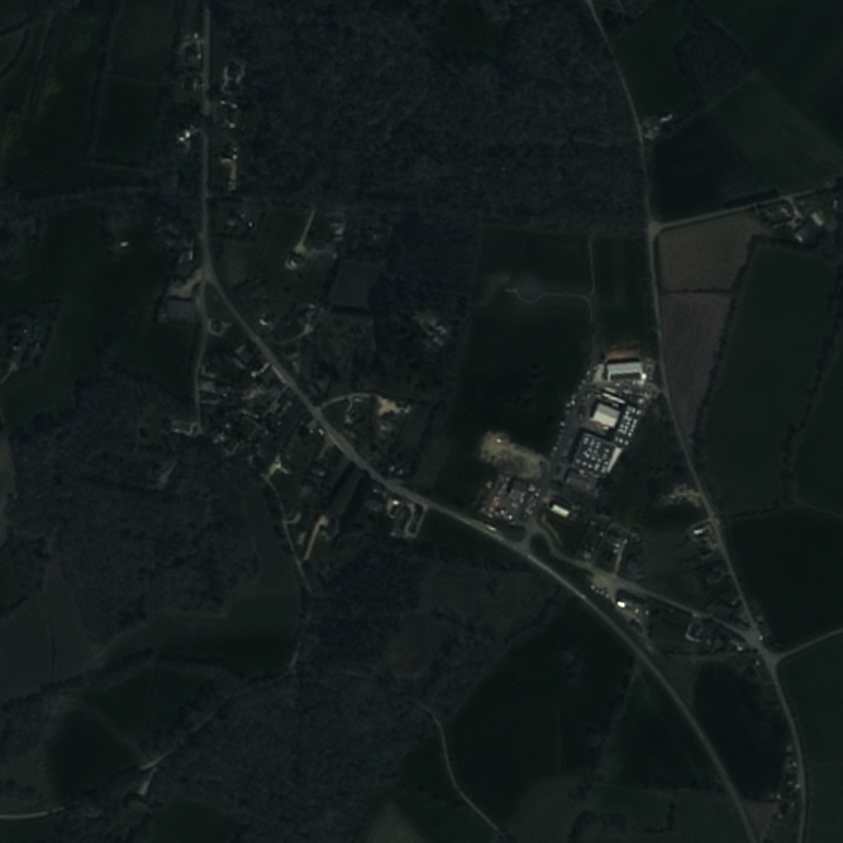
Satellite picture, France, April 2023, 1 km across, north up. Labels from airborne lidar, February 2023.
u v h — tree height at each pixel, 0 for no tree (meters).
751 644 0
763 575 0
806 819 6
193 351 6
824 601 0
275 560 0
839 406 0
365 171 19
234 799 9
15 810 0
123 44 0
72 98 0
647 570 0
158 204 26
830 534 0
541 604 0
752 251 12
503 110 22
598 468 0
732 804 0
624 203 15
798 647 0
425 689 19
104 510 12
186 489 10
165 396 15
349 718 11
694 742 0
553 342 0
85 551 14
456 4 0
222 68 0
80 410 12
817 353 0
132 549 11
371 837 0
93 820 10
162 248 0
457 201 20
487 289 0
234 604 0
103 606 16
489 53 0
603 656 0
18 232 0
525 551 0
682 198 0
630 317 0
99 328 0
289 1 22
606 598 0
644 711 0
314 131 23
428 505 0
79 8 15
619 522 0
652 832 6
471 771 0
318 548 0
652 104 0
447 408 8
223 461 13
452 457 0
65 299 0
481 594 0
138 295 0
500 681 0
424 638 0
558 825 0
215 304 0
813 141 0
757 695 13
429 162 14
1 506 0
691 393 0
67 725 0
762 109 0
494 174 18
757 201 8
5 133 0
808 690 0
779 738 0
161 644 0
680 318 0
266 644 0
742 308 0
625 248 0
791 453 15
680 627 0
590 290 0
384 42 27
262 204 13
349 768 13
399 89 25
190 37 0
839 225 12
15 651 0
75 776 0
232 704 18
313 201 15
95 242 0
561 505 0
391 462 8
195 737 11
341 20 21
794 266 0
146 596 15
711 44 21
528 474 0
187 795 17
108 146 0
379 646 19
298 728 14
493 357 0
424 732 13
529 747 0
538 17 14
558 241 0
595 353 0
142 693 0
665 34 0
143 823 7
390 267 19
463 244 19
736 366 0
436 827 0
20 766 0
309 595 14
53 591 0
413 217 27
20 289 0
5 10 0
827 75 0
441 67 17
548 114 25
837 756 0
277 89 25
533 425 0
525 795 0
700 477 12
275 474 0
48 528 17
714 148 0
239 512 14
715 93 15
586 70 23
